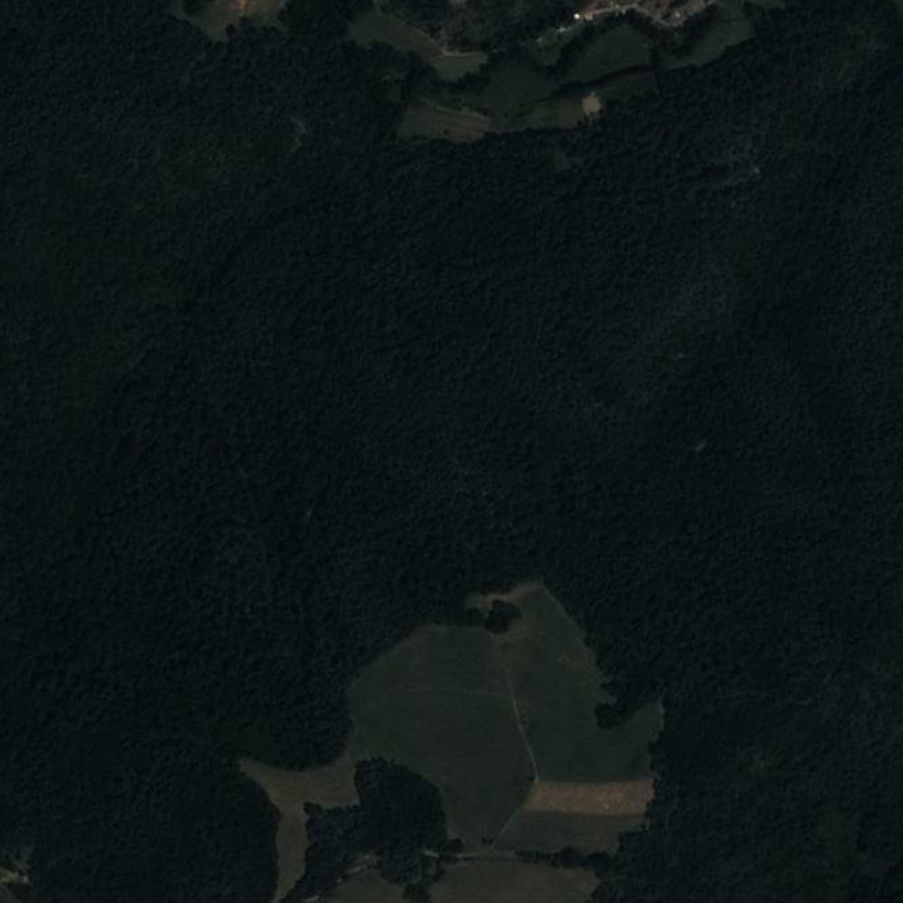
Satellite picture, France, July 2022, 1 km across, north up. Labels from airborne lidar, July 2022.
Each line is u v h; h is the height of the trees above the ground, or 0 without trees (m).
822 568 13
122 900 9
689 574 11
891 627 6
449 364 22
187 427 15
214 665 15
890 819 28
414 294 18
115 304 17
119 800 16
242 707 13
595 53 0
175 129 12
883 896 6
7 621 28
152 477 24
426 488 14
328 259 19
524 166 19
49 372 8
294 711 11
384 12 13
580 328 19
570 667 0
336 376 19
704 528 21
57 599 24
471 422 17
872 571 17
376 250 18
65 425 11
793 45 13
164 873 10
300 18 17
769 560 10
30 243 9
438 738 0
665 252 7
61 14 17
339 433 8
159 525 20
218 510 13
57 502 22
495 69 20
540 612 0
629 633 18
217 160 10
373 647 17
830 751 19
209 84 16
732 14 0
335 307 21
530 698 0
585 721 0
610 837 0
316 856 9
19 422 15
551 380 12
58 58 10
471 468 16
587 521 28
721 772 8
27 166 11
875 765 14
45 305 15
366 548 16
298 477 25
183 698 9
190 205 7
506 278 17
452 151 13
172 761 14
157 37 22
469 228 15
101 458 15
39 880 8
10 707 29
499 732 0
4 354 16
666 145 18
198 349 18
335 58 17
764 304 21
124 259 9
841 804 8
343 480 22
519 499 17
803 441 22
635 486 23
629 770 0
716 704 9
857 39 12
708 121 16
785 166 12
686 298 6
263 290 18
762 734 9
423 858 10
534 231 19
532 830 0
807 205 21
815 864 7
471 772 0
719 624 14
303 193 13
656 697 7
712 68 11
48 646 32
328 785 0
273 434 19
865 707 9
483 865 0
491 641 0
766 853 12
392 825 8
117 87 24
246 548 33
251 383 22
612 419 12
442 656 0
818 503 24
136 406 15
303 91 7
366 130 18
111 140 10
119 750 11
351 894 0
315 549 7
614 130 21
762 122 11
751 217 11
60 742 14
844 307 8
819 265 16
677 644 10
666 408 22
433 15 9
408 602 6
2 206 13
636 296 13
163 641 15
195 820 11
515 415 19
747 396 28
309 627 27
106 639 25
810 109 19
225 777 13
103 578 25
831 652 12
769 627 11
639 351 9
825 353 11
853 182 16
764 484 18
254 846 13
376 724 0
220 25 0
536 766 0
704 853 9
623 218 25
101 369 13
